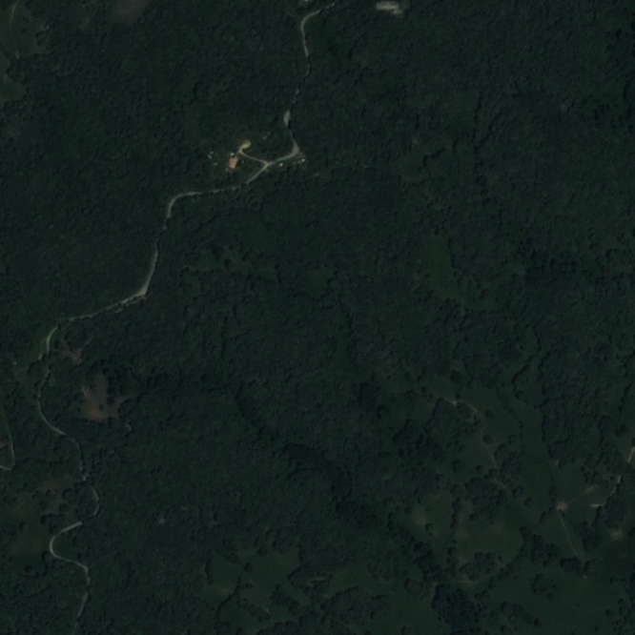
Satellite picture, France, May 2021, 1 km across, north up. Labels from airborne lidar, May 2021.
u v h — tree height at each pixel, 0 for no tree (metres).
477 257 17
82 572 10
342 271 16
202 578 16
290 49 11
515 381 14
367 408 23
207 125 6
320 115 13
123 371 21
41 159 9
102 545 15
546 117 19
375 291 12
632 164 15
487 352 14
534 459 0
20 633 10
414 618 0
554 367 12
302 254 14
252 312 13
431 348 14
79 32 6
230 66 8
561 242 17
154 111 5
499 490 17
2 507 16
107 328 12
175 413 14
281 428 15
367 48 16
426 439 17
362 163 9
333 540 12
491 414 11
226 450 14
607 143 16
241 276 12
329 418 10
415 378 12
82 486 12
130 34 6
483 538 0
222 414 15
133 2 0
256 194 12
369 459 16
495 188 13
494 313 9
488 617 10
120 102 6
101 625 13
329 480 21
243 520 14
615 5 14
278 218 13
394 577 8
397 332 14
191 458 13
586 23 12
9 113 8
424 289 17
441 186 12
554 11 15
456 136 6
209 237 12
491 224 16
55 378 11
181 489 13
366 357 9
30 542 0
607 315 12
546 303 16
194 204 14
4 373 11
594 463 14
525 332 7
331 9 11
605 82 14
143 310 9
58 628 12
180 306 13
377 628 0
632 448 0
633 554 0
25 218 7
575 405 13
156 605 7
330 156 12
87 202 13
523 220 11
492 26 12
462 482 0
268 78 10
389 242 10
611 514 12
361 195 12
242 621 0
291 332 12
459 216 16
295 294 13
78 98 6
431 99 15
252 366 13
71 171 10
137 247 8
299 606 17
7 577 12
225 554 10
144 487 15
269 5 14
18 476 12
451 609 20
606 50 16
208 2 6
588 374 11
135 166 9
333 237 12
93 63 6
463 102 0
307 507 13
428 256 0
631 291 15
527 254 18
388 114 15
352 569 8
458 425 12
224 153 0
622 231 15
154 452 15
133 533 12
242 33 9
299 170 9
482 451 0
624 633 12
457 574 9
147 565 14
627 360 11
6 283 12
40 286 10
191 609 15
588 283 21
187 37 8
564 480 0
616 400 0
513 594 0
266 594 0
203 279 8
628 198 15
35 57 7
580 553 0
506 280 12
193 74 12
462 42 12
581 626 0
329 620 17
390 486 16
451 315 12
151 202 9
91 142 8
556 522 0
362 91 17
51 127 6
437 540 0
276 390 15
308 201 11
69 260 10
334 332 11
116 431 14
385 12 10
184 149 9
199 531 15
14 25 0
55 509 0
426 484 10
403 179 11
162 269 15
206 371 21
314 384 16
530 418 0
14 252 6
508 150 12
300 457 26
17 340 12
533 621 8
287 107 12
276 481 14
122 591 14
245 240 17
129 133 7
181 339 14
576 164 13
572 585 0
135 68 6
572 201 13
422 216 12
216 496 16
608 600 0
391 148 9
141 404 19
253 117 6
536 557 12
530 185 12
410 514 8
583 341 16
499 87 6
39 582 11
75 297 10
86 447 15
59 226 9
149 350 10
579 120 17
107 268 7
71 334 11
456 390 0
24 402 14
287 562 0
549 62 9
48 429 10
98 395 0
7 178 11
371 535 15
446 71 13
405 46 12
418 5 15
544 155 13
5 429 0
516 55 13
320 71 12
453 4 14
